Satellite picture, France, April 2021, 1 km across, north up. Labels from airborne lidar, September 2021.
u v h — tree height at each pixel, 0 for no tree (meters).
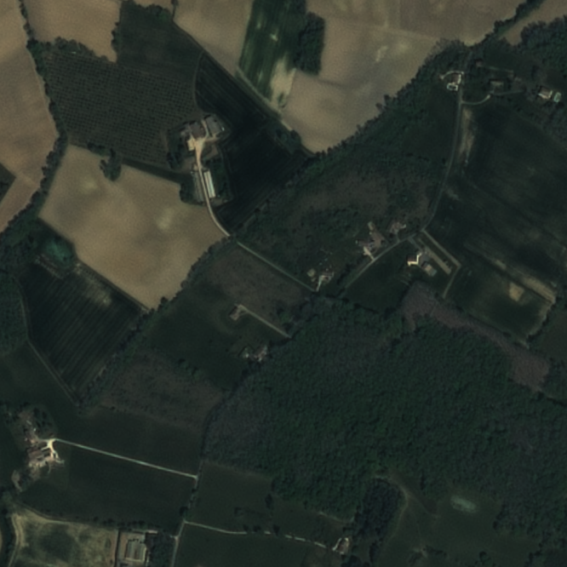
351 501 23
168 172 0
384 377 26
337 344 21
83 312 0
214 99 0
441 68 20
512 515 19
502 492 18
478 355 23
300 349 20
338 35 0
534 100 22
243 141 0
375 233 0
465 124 0
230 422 18
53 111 14
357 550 6
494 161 0
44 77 15
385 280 0
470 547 0
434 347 25
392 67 0
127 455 0
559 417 20
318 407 21
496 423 21
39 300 0
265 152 0
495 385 24
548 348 0
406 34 0
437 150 0
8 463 0
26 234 21
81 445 0
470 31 0
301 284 0
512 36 0
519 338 0
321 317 20
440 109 0
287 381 25
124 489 0
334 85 0
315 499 22
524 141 0
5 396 0
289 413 23
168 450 0
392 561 0
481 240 0
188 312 0
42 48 12
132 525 10
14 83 0
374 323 17
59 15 0
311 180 6
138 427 0
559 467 24
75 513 0
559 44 20
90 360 0
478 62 0
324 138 0
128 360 12
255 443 16
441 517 0
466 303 0
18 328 23
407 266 6
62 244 19
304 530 0
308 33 9
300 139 20
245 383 18
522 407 20
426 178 7
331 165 11
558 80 0
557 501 26
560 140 14
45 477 0
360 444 25
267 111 0
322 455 20
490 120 0
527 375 24
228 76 0
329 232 7
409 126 6
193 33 0
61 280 0
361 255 0
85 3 0
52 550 0
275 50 0
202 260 9
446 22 0
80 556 0
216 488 0
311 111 0
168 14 14
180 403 0
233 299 0
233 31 0
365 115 0
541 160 0
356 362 24
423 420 24
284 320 18
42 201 18
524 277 0
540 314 0
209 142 0
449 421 22
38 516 0
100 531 0
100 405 12
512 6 0
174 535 9
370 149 7
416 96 20
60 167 16
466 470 22
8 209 0
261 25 0
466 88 10
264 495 0
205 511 0
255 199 0
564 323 0
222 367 0
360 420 18
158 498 0
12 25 0
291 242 6
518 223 0
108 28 0
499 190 0
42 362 0
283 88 0
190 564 0
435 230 0
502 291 0
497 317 0
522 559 0
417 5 0
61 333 0
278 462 16
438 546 0
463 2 0
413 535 0
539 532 21
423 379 23
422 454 18
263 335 0
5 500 23
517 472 19
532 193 0
